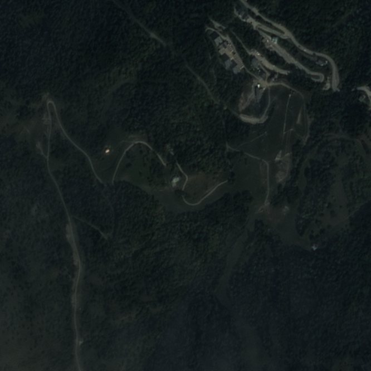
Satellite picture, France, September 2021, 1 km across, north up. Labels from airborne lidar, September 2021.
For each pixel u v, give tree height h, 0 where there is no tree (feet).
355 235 45
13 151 52
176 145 29
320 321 56
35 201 24
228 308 0
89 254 43
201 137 42
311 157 0
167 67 54
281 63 36
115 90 0
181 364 35
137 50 44
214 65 47
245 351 0
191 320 35
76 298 0
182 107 41
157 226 36
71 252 53
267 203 0
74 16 95
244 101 0
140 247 21
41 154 0
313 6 83
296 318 59
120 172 0
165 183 20
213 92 29
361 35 42
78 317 0
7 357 0
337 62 39
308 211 40
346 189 39
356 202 30
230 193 0
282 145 0
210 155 38
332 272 49
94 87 49
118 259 23
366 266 40
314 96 27
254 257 27
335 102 48
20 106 0
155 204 39
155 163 34
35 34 77
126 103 36
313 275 35
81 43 64
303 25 64
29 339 0
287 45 38
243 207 24
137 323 23
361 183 39
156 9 53
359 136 30
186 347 32
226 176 0
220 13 37
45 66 84
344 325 56
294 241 0
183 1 55
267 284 28
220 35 0
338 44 56
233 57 0
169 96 37
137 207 48
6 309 23
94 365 0
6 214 44
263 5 22
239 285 35
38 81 62
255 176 0
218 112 43
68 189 59
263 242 33
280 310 29
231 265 0
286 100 0
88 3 89
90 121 28
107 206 42
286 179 0
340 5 34
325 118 45
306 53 0
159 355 25
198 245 49
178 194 35
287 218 0
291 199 40
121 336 19
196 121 44
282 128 0
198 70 36
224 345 33
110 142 0
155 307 56
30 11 94
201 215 33
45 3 102
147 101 61
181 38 35
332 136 0
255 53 0
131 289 27
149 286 72
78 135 34
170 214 27
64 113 26
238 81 43
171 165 21
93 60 59
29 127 0
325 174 36
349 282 86
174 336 26
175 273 31
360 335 37
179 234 52
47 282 20
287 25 51
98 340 26
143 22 55
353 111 58
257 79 0
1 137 48
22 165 31
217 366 26
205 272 23
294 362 22
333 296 50
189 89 32
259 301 50
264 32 0
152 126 32
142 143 0
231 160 40
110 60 48
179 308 34
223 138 38
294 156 31
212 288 38
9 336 0
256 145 0
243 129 34
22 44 91
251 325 34
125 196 41
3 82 59
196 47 37
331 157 30
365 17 68
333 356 58
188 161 34
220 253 30
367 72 55
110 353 21
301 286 31
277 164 0
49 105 0
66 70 54
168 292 37
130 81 0
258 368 0
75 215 32
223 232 33
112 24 95
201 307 34
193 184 0
